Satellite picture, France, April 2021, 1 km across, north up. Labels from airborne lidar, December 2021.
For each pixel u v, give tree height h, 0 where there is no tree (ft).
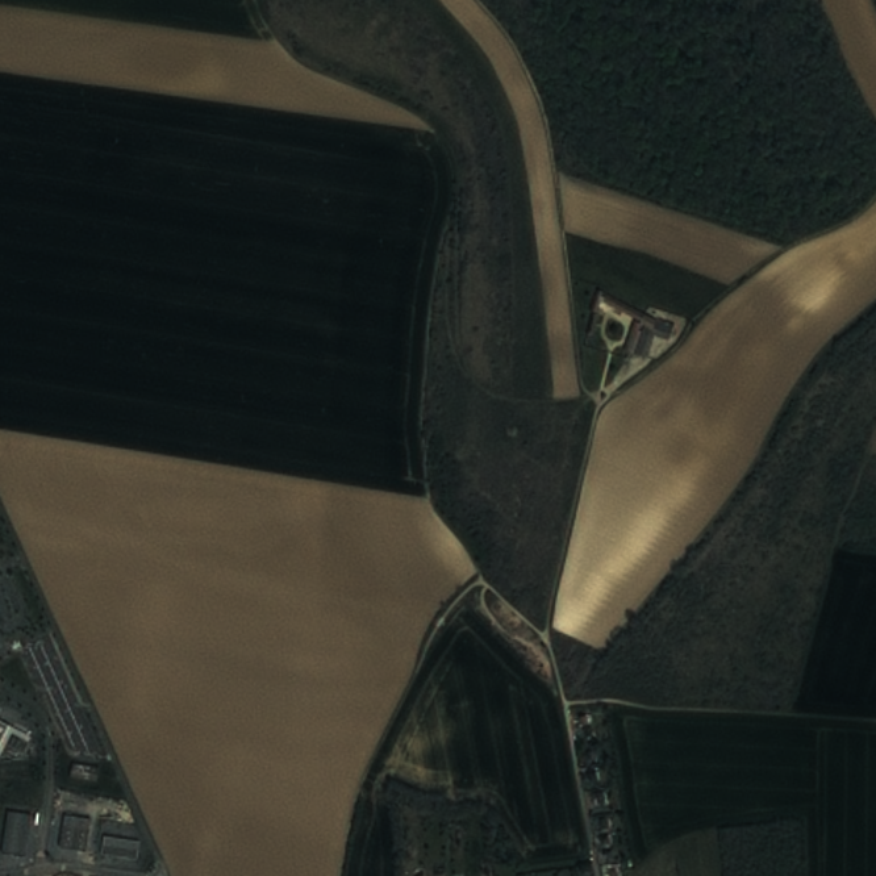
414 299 0
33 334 0
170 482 0
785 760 0
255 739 0
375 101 0
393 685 0
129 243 0
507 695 0
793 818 27
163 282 0
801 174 42
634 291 0
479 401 0
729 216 25
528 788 0
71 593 0
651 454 0
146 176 0
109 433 0
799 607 0
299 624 0
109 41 0
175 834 0
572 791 0
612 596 0
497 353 0
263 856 0
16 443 0
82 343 0
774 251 0
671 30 65
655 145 57
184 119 0
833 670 0
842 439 0
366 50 0
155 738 0
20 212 0
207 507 0
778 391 0
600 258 0
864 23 0
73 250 0
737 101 63
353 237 0
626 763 0
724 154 62
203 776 0
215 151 0
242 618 0
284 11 0
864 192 29
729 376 0
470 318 0
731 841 27
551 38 61
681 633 0
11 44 0
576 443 0
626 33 66
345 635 0
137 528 0
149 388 0
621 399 0
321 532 0
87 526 0
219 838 0
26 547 0
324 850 0
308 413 0
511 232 0
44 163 0
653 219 0
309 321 0
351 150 0
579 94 60
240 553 0
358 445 0
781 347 0
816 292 0
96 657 0
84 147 0
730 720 0
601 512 0
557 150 0
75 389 0
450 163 0
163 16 0
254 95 0
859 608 0
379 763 0
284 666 0
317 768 0
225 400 0
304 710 0
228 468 0
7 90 0
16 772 0
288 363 0
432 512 0
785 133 51
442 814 51
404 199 0
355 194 0
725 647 0
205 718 0
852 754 0
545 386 0
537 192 0
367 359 0
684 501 0
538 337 0
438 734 0
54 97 0
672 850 0
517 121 0
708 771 0
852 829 0
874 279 0
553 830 0
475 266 0
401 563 0
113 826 0
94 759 0
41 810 0
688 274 0
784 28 75
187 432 0
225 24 0
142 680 0
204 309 0
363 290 0
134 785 0
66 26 0
